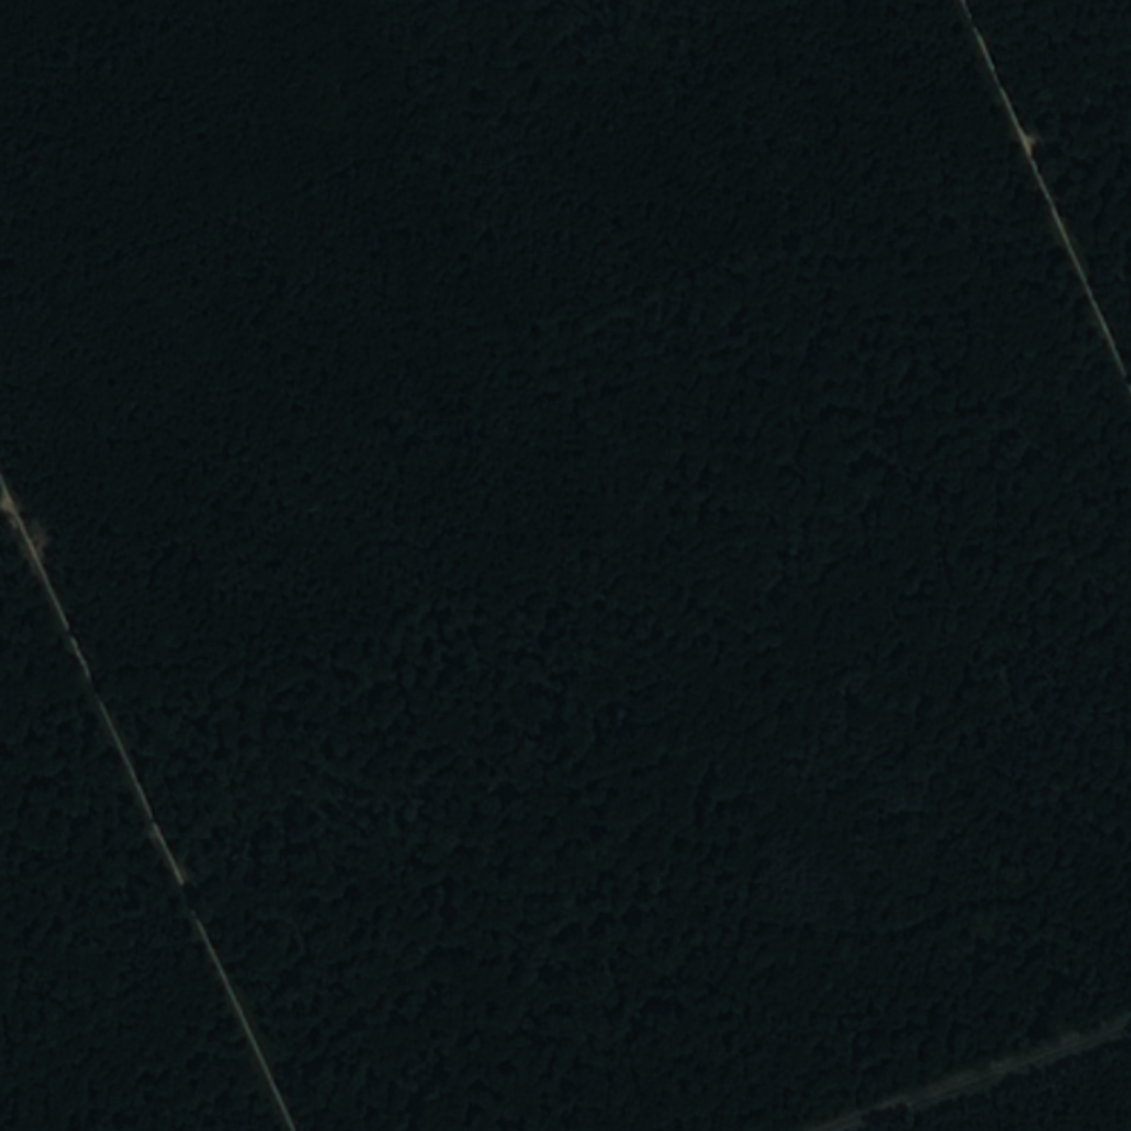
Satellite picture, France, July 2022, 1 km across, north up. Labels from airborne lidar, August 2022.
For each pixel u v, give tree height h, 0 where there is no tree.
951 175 23
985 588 27
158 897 22
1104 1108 16
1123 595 23
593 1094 23
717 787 26
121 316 19
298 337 27
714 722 25
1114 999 20
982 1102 16
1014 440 31
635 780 22
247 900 27
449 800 27
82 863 30
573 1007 21
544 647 27
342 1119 26
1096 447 30
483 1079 8
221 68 15
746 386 29
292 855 29
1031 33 30
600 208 19
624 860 22
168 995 26
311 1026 13
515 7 27
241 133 13
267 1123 27
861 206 23
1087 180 25
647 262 21
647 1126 24
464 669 30
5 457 19
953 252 28
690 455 25
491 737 27
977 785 24
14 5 13
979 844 26
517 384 24
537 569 25
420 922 27
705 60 17
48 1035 25
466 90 21
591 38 23
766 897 25
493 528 21
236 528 20
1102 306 15
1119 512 26
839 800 25
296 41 12
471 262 24
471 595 30
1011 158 24
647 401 28
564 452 24
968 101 22
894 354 27
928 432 28
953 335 27
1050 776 21
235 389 29
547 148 19
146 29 17
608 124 23
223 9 16
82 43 14
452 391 20
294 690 19
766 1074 20
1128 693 24
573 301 21
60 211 15
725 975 22
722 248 22
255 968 24
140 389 20
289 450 25
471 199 19
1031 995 23
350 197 21
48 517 19
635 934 27
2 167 15
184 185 14
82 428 21
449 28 29
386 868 25
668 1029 27
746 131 20
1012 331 24
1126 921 25
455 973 29
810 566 25
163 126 14
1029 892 23
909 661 26
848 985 20
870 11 24
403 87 14
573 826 26
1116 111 24
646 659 26
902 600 29
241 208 16
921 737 25
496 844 27
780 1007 20
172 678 23
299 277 23
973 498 23
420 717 29
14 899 24
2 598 25
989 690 24
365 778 30
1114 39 30
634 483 24
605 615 27
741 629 24
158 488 26
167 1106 26
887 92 19
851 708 28
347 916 23
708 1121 23
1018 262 27
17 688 23
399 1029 27
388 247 28
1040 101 24
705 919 22
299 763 27
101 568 22
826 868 26
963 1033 26
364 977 29
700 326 26
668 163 23
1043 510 24
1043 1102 21
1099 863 22
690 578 19
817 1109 19
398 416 18
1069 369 23
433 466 19
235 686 22
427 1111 28
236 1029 27
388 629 29
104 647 26
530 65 23
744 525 27
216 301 21
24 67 17
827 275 27
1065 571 27
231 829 29
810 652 23
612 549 25
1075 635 14
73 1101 23
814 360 25
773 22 23
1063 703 20
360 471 22
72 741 28
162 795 24
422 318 26
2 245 12
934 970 27
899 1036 28
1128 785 24
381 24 14
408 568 21
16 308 19
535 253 20
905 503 24
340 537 21
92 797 26
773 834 26
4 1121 22
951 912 24
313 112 16
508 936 27
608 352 26
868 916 24
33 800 24
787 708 31
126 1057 26
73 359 23
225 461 25
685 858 25
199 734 29
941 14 19
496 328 25
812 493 25
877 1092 23
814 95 21
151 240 16
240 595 22
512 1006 28
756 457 32
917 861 25
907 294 26
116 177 14
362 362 29
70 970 28
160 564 25
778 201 21
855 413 31
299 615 23
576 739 29
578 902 28
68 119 18
